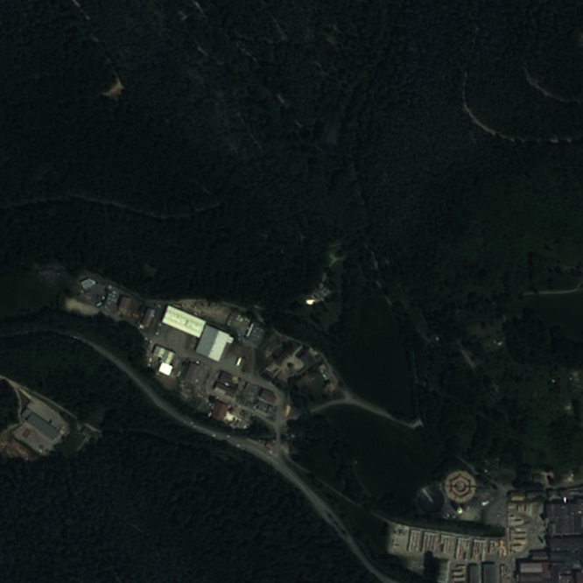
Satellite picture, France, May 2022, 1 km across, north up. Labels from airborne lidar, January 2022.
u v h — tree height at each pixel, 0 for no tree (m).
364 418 0
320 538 27
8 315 0
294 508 18
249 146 27
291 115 17
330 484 0
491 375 0
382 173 22
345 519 11
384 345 0
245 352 0
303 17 17
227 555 30
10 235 23
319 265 20
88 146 21
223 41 30
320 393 0
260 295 21
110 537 27
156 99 22
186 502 33
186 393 0
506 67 16
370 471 0
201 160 22
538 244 0
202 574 20
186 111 23
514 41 20
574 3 21
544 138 19
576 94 18
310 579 31
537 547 0
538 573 0
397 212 20
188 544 23
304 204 23
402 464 0
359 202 25
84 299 0
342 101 17
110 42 22
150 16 30
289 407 0
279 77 20
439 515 0
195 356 0
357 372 0
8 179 19
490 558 0
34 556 26
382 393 0
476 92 16
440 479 14
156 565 19
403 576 18
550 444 9
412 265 20
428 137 16
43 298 0
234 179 21
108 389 9
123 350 21
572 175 12
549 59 19
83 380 12
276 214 21
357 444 0
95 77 23
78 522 31
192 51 26
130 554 23
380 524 0
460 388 23
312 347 19
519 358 17
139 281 16
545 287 0
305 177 19
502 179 14
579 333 0
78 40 19
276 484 8
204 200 21
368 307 0
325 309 13
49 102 14
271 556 32
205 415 9
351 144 11
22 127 16
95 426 0
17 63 18
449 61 19
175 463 29
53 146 23
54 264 0
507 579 0
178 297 10
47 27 15
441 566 0
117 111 22
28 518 23
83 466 23
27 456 0
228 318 0
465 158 18
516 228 21
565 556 0
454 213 18
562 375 0
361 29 24
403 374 0
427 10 22
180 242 12
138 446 27
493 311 9
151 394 0
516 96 17
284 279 17
